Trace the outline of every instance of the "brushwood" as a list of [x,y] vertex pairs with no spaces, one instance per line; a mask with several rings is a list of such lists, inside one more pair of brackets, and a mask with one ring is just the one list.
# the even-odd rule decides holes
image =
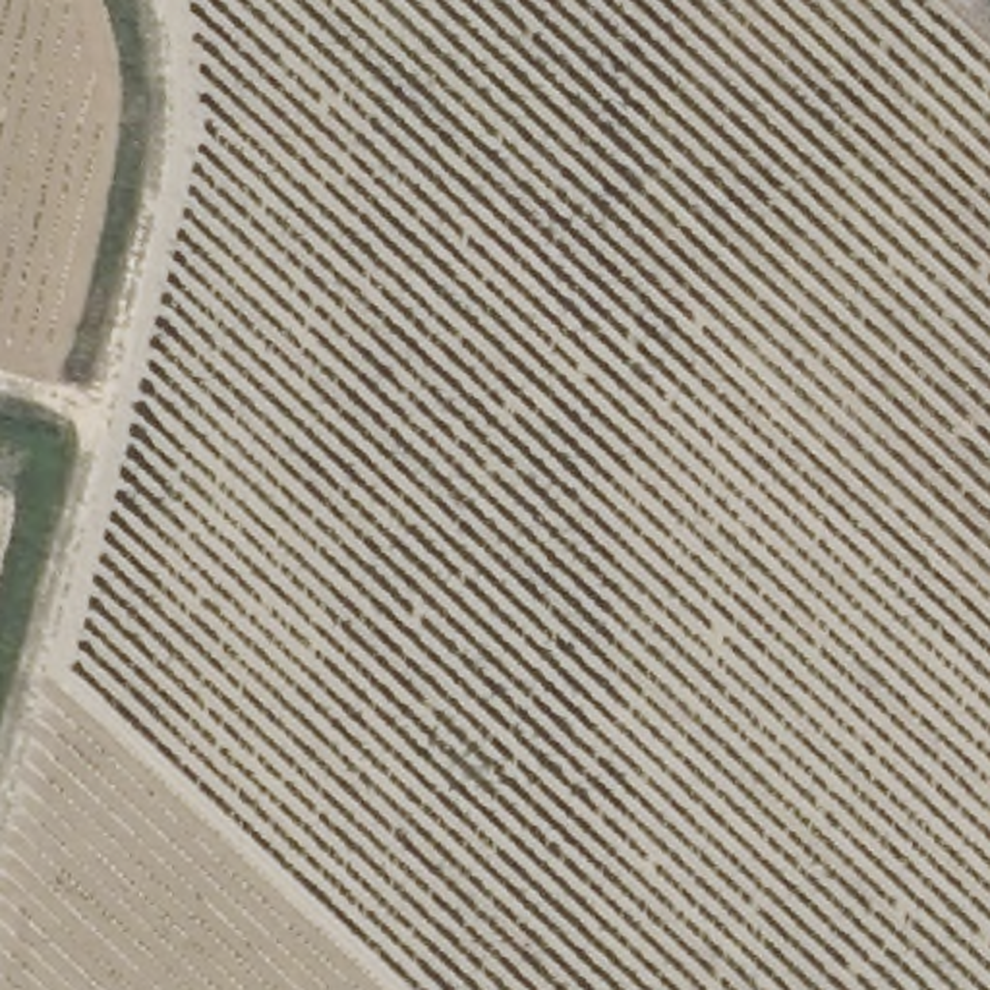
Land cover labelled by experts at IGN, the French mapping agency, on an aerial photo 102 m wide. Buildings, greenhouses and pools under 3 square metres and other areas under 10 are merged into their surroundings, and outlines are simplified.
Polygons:
[[62,379],[73,387],[93,383],[104,360],[104,340],[112,333],[124,259],[143,197],[151,139],[162,131],[166,89],[159,66],[159,19],[151,0],[104,0],[120,50],[120,139],[81,321],[62,364]]

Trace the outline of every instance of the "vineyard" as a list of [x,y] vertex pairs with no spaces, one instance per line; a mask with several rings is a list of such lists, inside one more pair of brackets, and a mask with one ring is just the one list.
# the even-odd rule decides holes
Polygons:
[[990,0],[151,0],[159,19],[159,66],[166,89],[162,131],[151,139],[143,197],[124,259],[112,333],[104,340],[104,360],[93,383],[73,387],[62,379],[62,364],[81,321],[120,139],[120,50],[104,0],[0,0],[0,990],[990,990]]

